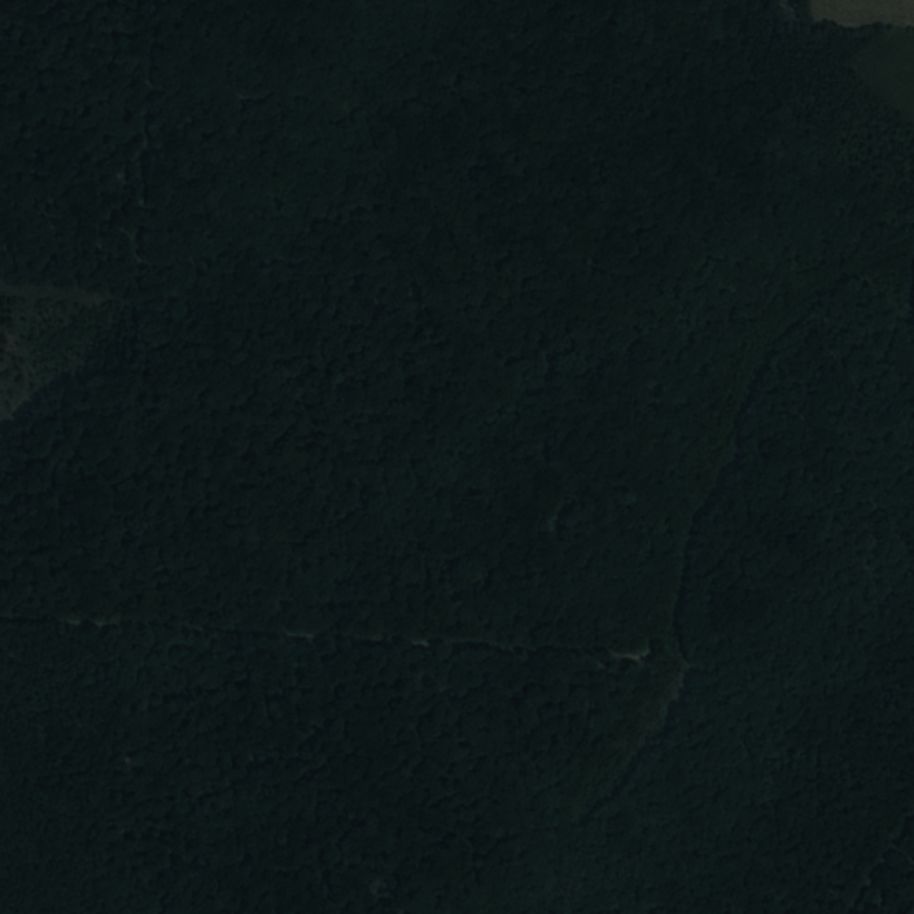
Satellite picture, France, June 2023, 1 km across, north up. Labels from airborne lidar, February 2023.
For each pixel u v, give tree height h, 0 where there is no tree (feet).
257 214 90
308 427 95
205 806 98
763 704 78
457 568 97
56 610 89
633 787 68
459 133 106
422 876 85
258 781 92
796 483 94
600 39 99
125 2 97
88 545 110
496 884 85
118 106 101
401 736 107
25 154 93
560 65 90
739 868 80
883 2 0
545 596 97
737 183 101
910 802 75
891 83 0
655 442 78
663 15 99
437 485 87
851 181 92
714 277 84
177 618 67
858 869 82
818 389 92
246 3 87
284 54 92
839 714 73
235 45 81
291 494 93
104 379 91
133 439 115
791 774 70
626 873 70
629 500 95
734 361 61
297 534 94
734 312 62
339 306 91
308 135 86
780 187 94
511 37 89
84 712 83
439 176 103
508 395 81
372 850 108
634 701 68
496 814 92
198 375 104
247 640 78
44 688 71
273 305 93
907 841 69
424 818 101
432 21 85
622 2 103
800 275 48
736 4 79
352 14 77
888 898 88
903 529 79
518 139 103
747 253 96
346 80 86
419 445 83
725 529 90
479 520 100
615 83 109
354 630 96
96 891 90
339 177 100
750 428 99
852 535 72
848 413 91
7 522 109
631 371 113
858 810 81
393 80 89
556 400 115
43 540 107
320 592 85
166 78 82
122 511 102
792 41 73
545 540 101
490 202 105
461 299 102
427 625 93
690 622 91
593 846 71
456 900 79
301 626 79
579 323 71
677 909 67
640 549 69
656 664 48
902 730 74
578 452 102
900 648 85
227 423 106
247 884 95
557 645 83
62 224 87
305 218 94
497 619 86
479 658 94
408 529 94
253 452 98
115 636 57
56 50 103
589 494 99
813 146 83
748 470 84
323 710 113
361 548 78
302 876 103
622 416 91
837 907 87
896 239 61
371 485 89
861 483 86
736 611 91
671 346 80
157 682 98
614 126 94
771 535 97
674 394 105
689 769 71
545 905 84
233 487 105
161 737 80
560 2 96
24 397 0
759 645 81
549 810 92
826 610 72
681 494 80
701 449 80
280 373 107
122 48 91
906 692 81
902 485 87
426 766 101
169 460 108
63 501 104
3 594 96
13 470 96
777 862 76
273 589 85
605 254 109
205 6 91
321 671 87
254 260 93
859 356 94
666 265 87
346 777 105
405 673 98
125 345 32
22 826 86
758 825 84
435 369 92
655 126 103
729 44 93
